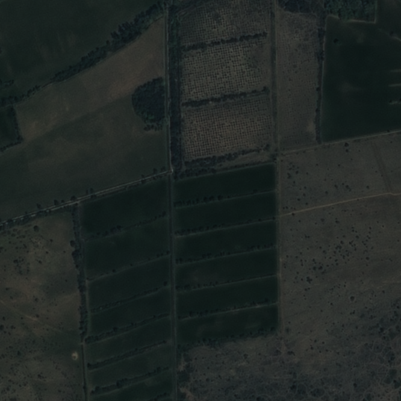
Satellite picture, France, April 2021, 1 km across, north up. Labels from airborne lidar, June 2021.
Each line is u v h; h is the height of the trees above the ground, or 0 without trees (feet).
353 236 0
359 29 0
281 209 0
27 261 0
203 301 0
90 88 0
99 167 0
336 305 0
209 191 0
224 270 0
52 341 0
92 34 0
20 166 0
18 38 0
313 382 0
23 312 0
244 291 0
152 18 68
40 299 0
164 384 0
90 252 0
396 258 0
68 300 0
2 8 0
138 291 0
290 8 18
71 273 0
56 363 0
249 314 0
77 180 0
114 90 0
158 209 0
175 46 25
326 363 0
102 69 0
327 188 0
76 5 0
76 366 0
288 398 0
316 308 0
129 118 0
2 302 0
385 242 0
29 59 0
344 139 0
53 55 0
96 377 0
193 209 0
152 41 0
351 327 0
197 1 20
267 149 17
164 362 0
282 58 0
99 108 0
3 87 41
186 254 0
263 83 0
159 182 0
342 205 0
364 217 0
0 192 0
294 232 0
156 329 0
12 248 0
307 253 0
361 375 0
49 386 0
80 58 0
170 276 0
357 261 0
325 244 0
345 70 0
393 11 0
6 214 0
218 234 0
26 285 0
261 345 0
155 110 30
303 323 0
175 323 0
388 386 0
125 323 0
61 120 0
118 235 37
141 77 0
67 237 0
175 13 38
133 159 0
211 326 0
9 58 0
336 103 0
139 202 0
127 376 0
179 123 19
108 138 0
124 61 0
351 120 0
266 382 0
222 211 0
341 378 0
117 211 0
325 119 0
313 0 0
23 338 0
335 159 0
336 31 0
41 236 0
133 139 0
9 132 0
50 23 0
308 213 0
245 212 0
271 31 0
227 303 0
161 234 0
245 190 0
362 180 0
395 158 0
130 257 0
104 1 0
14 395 0
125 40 36
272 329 25
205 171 22
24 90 0
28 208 0
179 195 0
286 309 0
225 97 26
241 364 0
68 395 0
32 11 0
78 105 0
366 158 0
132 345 0
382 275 0
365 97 0
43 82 0
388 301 0
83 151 0
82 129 0
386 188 0
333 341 0
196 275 0
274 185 0
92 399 0
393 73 0
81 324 31
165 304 0
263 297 0
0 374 0
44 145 0
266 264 0
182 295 0
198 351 0
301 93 0
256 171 0
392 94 0
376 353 0
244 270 0
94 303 0
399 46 0
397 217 0
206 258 30
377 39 0
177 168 20
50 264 0
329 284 0
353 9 54
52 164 0
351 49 0
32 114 0
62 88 0
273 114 0
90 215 0
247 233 0
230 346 0
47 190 0
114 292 0
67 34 0
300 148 0
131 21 0
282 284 0
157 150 0
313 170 0
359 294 0
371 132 0
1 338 0
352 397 0
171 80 24
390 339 0
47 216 32
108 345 0
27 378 0
